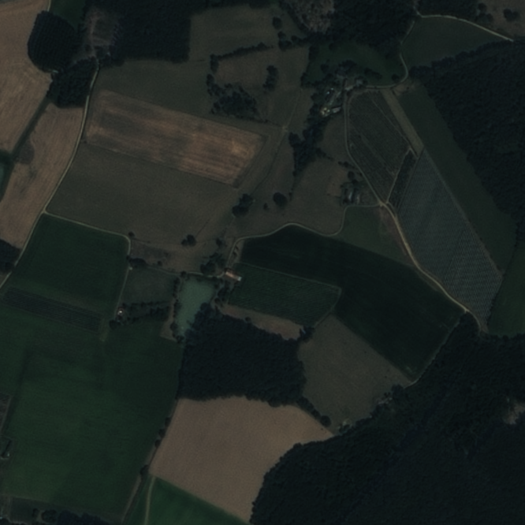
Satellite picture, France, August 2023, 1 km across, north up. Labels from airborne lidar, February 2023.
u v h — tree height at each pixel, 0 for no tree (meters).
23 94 0
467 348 8
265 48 13
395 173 0
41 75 0
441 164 0
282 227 0
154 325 0
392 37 23
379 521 26
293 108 0
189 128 0
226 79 0
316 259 0
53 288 0
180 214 0
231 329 22
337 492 9
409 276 0
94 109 0
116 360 0
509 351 6
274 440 0
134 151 0
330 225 0
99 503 0
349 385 0
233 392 21
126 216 0
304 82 10
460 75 15
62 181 0
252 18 0
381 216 0
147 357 0
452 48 0
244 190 0
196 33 0
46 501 0
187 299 0
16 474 0
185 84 0
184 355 8
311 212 0
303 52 0
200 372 24
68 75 24
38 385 0
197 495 0
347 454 9
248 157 0
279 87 0
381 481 20
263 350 21
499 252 0
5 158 0
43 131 0
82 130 0
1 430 0
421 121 0
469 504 23
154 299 0
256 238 0
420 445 28
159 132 0
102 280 0
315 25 17
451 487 24
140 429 0
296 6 15
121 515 0
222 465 0
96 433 0
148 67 0
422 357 0
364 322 0
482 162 11
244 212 18
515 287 0
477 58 16
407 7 17
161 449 0
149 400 0
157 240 0
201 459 0
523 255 0
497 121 12
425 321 0
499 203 13
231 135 0
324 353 0
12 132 0
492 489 29
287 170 0
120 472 0
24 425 0
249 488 0
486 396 7
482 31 0
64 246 0
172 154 0
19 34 0
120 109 0
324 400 0
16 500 0
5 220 0
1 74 0
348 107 0
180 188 0
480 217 0
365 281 0
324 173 0
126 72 0
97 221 0
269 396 17
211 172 0
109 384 0
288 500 15
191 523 0
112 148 0
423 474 26
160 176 0
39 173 0
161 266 10
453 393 19
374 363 0
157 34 22
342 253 0
